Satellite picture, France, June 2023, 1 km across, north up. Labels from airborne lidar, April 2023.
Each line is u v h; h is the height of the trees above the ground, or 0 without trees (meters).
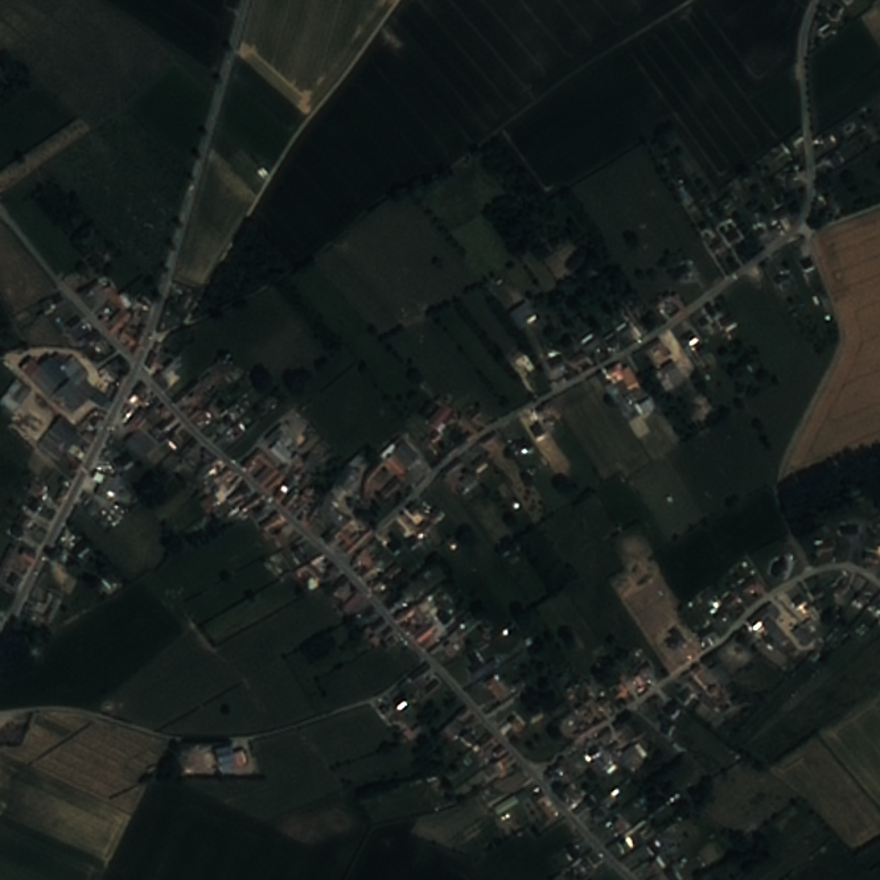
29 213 0
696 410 0
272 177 0
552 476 0
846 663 0
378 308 0
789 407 0
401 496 11
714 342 0
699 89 0
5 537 0
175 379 0
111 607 0
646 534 0
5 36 0
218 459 0
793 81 0
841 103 0
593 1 0
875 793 0
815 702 0
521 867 0
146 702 0
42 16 0
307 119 0
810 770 0
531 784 0
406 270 0
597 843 0
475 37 0
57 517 0
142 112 0
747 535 0
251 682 0
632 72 0
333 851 0
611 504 0
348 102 0
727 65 0
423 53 0
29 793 0
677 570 0
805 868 0
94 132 0
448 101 0
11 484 0
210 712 0
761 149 0
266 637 0
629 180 0
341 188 0
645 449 0
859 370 0
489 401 0
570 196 12
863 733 0
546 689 12
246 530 0
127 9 0
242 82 0
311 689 0
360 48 0
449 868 0
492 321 0
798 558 0
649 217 0
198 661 0
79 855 0
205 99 0
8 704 0
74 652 0
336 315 0
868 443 0
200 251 0
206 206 0
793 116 0
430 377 0
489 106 0
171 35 0
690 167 0
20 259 0
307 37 0
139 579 0
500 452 0
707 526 7
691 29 0
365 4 0
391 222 0
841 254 0
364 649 0
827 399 0
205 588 0
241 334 0
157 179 0
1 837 0
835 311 0
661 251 0
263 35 0
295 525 0
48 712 0
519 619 20
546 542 0
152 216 0
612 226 0
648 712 0
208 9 0
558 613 0
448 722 0
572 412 0
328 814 0
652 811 8
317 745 0
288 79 0
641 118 0
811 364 0
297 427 0
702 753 0
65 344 0
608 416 0
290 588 0
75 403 0
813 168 0
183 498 0
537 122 0
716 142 0
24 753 0
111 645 0
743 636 11
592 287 8
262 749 0
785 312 0
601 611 0
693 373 14
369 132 0
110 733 0
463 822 0
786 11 0
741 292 0
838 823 0
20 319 0
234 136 0
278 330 0
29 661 27
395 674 0
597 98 0
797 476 0
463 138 0
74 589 0
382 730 0
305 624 0
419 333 0
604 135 0
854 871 0
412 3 0
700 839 0
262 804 0
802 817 0
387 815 0
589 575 0
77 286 0
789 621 0
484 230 0
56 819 0
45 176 0
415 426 0
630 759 0
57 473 0
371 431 0
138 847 0
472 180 0
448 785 16
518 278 0
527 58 0
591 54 0
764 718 0
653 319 8
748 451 0
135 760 0
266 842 0
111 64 0
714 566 0
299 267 10
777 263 0
